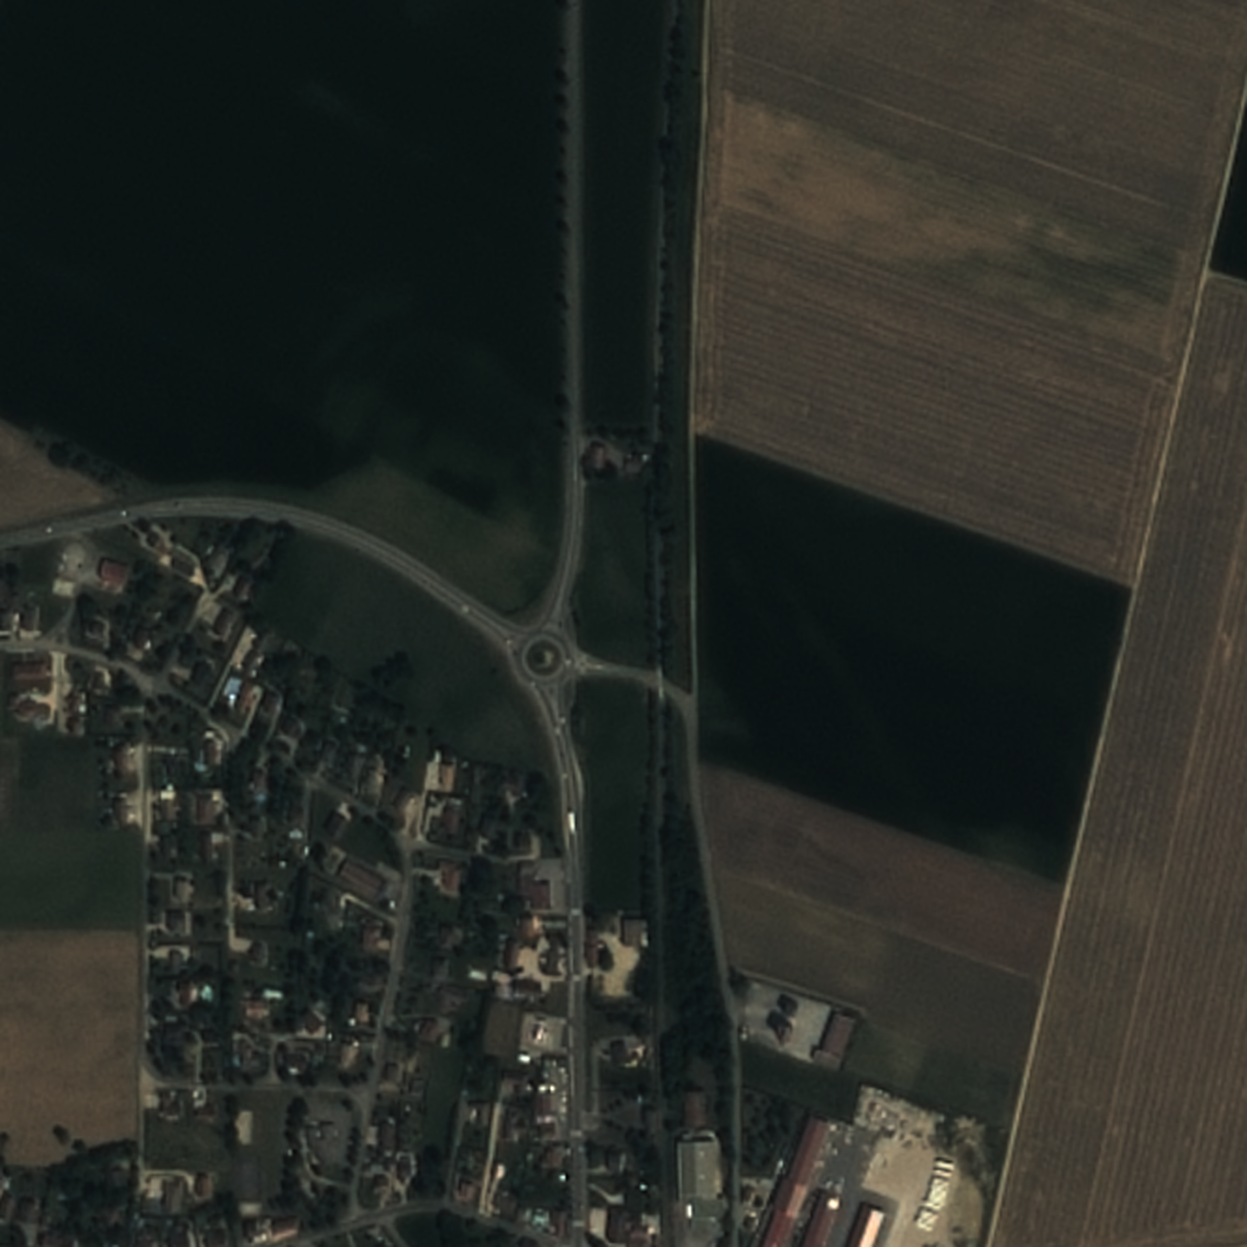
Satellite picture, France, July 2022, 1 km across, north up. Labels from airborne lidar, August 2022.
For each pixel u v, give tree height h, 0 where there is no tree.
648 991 20
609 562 0
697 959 11
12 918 0
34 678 0
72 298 0
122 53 0
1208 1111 0
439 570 0
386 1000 0
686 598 0
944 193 0
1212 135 0
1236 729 0
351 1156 7
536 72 0
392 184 0
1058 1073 0
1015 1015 0
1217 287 0
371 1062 8
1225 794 0
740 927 0
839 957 0
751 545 0
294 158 0
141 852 0
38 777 0
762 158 0
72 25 0
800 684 0
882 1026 0
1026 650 0
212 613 0
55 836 0
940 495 0
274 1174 0
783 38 0
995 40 0
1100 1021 0
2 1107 0
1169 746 0
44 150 0
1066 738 0
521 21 0
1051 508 0
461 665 0
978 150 0
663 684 0
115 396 0
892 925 0
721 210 0
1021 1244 0
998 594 0
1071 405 0
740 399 0
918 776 0
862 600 0
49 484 0
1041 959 0
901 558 0
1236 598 0
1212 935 0
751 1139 6
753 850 0
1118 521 0
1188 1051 0
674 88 14
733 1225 11
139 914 0
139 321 0
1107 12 0
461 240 0
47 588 0
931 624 0
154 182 0
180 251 0
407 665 14
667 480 16
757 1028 0
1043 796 0
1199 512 0
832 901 0
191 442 0
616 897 0
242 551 14
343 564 0
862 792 0
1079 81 0
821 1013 0
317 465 0
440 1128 0
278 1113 0
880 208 0
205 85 0
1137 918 0
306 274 0
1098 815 0
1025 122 0
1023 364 0
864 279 0
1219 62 0
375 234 0
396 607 0
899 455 0
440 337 0
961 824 0
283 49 0
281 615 0
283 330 0
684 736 0
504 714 0
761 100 0
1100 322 0
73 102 0
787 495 0
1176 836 0
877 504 0
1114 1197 0
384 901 8
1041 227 0
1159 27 0
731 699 0
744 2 0
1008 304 0
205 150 0
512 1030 0
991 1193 0
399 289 0
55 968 0
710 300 0
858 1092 0
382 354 0
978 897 0
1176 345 0
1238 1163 0
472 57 0
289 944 0
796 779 0
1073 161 0
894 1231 0
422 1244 0
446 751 8
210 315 0
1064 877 0
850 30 0
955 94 0
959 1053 0
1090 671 0
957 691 0
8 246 0
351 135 0
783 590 0
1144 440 0
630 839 0
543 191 0
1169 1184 0
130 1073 0
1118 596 0
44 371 0
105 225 0
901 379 0
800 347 0
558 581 0
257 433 0
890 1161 0
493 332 0
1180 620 0
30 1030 0
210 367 0
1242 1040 0
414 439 0
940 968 0
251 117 0
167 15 0
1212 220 0
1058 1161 0
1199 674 0
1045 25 0
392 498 0
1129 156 0
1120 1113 0
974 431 0
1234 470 0
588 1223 0
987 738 0
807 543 0
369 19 0
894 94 0
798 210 0
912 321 0
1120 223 0
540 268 0
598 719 0
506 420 0
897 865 0
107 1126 0
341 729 7
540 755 0
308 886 7
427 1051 0
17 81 0
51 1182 7
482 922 8
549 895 0
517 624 0
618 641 0
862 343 0
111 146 0
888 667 0
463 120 0
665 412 10
